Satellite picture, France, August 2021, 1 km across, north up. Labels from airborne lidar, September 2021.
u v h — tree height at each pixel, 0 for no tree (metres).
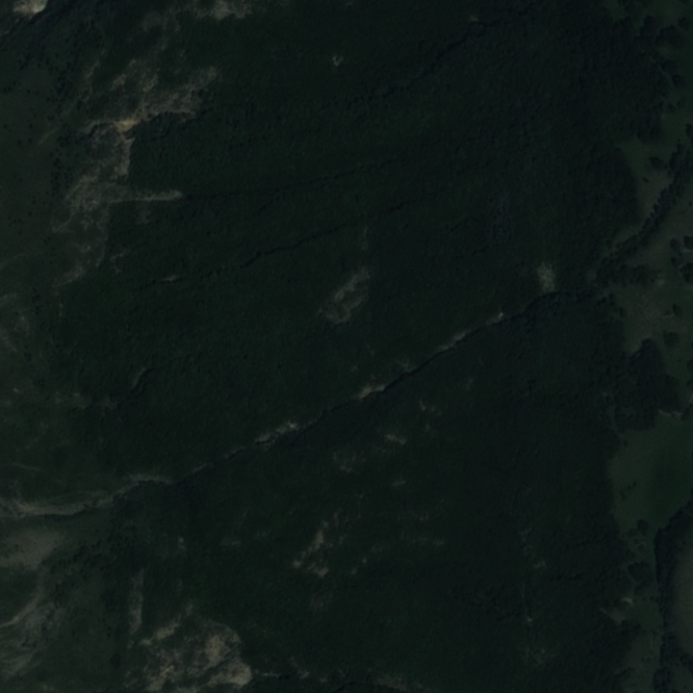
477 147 25
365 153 16
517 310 12
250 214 15
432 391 8
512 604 8
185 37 8
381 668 10
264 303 12
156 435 13
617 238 12
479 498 9
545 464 10
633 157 0
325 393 9
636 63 27
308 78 15
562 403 13
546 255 18
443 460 8
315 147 23
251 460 6
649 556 0
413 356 9
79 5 8
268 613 13
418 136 17
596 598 24
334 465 6
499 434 9
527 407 10
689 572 0
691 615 0
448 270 20
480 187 21
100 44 7
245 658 7
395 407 8
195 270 9
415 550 7
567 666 19
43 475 0
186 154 22
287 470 8
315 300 12
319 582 9
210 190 13
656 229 12
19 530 0
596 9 21
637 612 0
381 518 6
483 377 11
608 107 20
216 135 19
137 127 7
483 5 22
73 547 0
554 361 23
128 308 9
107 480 0
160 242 11
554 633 17
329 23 19
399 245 15
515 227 17
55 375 6
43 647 0
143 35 7
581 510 16
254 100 15
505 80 22
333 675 10
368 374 6
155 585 6
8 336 0
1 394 0
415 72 17
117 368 18
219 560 15
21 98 0
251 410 11
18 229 0
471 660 11
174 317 12
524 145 22
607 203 21
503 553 10
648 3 16
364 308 9
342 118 23
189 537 9
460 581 9
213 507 7
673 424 0
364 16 18
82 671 0
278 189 8
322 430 9
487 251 23
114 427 7
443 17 19
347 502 6
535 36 30
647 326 0
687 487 0
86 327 6
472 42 28
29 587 0
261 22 14
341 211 18
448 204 21
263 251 10
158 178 15
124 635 6
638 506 0
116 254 7
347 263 12
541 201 24
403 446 7
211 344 16
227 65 10
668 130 0
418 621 12
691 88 0
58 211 0
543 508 12
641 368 18
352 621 13
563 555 17
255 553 9
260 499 6
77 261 0
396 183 15
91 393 8
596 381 14
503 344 9
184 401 10
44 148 0
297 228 19
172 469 6
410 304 19
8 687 0
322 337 16
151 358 11
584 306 28
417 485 7
